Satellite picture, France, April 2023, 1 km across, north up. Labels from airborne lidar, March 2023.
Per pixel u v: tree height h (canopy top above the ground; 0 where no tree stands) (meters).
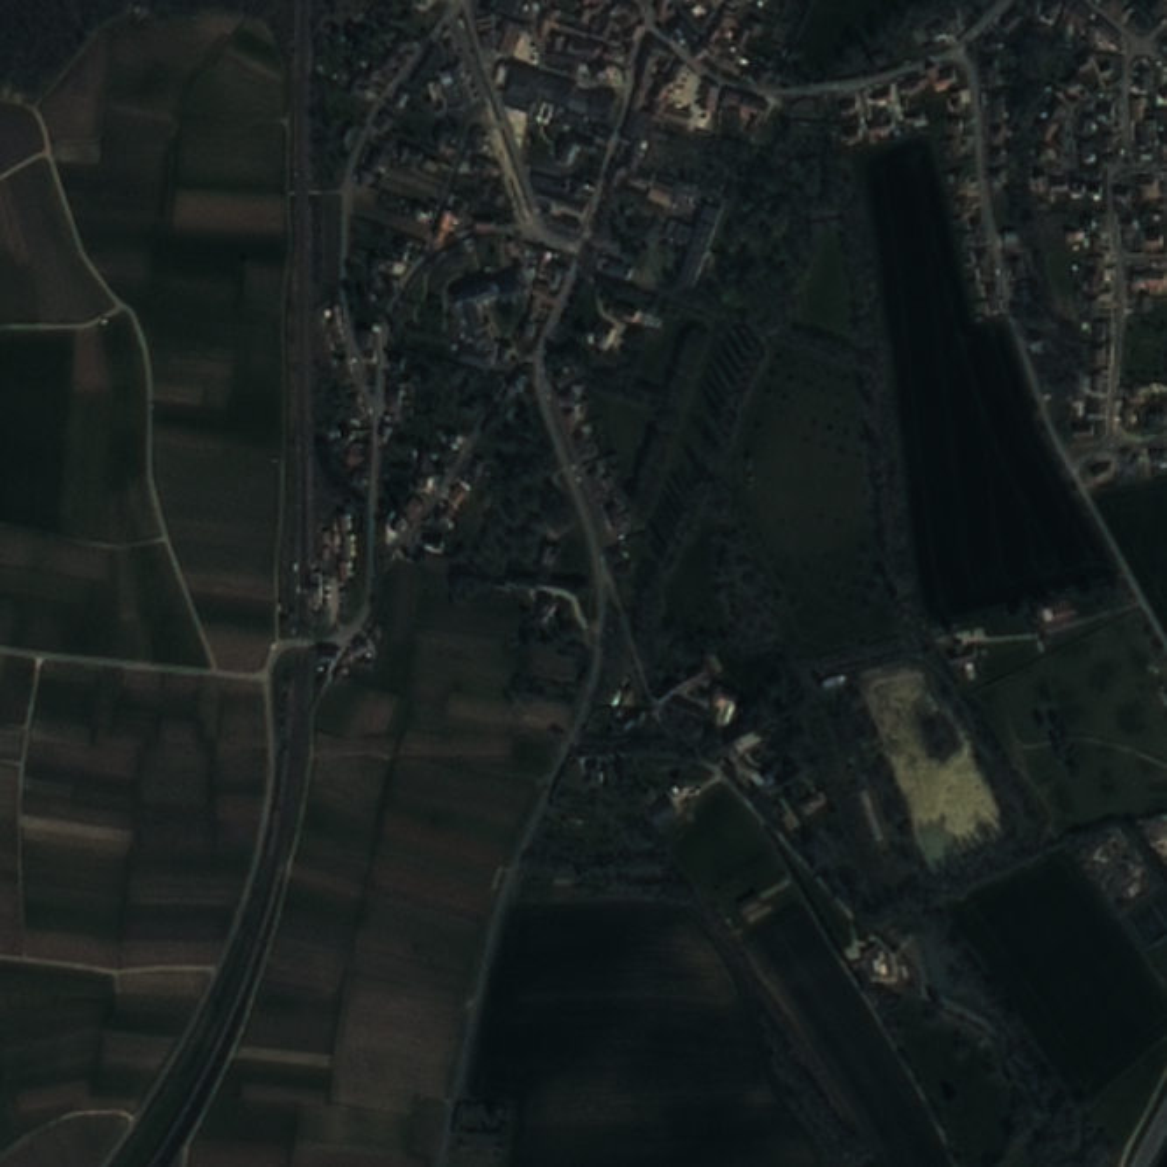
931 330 0
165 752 0
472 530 0
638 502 15
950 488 0
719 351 0
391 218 0
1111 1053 0
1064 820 0
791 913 0
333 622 0
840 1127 18
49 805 0
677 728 20
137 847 0
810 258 16
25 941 0
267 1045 0
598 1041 0
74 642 0
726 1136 0
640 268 0
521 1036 0
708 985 0
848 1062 0
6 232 0
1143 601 0
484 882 0
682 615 0
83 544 0
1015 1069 0
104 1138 0
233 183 0
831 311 0
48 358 0
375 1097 0
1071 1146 20
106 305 0
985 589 0
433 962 0
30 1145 0
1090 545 0
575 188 0
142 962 0
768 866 0
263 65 0
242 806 0
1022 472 0
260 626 0
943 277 0
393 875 0
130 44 0
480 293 0
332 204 0
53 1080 0
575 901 0
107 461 0
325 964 0
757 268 18
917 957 0
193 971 0
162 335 0
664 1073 0
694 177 8
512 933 0
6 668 0
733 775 8
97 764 0
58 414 0
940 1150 0
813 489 0
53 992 0
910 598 6
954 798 0
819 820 0
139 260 0
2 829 0
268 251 0
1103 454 0
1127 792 0
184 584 0
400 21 7
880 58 8
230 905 0
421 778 0
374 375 0
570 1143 0
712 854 0
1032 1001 0
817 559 0
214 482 0
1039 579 0
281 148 0
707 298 22
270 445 0
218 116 0
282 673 0
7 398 0
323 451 13
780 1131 0
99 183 0
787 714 9
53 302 0
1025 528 0
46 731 0
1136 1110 0
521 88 0
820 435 0
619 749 6
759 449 0
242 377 0
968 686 0
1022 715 0
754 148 11
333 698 0
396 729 0
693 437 0
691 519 19
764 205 13
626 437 0
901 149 0
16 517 0
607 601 0
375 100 0
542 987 0
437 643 0
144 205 0
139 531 0
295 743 0
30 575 0
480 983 0
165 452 0
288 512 0
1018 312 13
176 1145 0
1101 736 0
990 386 0
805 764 11
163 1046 0
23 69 25
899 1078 0
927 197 0
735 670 0
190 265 0
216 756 0
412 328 8
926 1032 0
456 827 0
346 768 0
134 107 0
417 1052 0
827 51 0
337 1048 0
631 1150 0
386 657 0
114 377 0
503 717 0
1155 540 0
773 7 0
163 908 0
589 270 13
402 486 0
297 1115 0
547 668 0
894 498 9
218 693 0
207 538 0
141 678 0
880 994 8
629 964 0
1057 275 0
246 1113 0
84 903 0
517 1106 0
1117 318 0
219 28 0
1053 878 0
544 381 0
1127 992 0
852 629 0
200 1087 0
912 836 14
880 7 0
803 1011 0
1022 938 0
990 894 0
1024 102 15
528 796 0
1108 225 0
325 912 0
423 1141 0
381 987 0
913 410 0
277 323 0
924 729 17
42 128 0
